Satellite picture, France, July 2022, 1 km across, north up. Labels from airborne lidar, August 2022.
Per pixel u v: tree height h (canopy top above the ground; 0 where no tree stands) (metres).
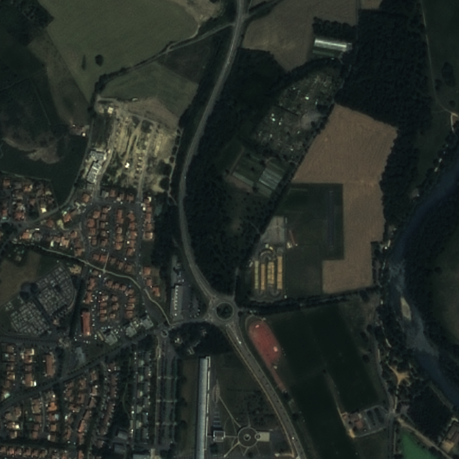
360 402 0
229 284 10
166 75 0
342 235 0
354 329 0
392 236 6
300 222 0
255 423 6
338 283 0
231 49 0
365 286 0
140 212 0
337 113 0
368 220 0
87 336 0
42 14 13
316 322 0
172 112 0
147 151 0
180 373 12
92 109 12
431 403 19
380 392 0
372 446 0
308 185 0
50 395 0
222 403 0
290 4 0
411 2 19
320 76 0
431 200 0
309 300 7
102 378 13
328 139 0
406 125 10
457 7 0
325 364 0
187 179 13
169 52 0
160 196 8
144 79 0
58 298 0
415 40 20
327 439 0
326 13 0
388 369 6
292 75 15
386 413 0
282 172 0
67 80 0
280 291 0
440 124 0
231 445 0
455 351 24
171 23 0
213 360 0
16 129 0
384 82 20
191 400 0
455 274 0
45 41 0
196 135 0
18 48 0
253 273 0
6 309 0
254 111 7
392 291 0
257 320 0
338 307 0
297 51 0
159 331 0
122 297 0
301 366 0
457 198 24
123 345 0
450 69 11
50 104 0
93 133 0
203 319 0
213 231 13
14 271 0
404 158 19
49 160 0
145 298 0
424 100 10
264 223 10
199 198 23
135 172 0
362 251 0
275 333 0
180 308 0
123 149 0
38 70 0
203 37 0
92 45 0
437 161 11
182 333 14
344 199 0
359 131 0
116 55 0
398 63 23
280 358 0
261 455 0
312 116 0
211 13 0
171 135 0
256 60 6
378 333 20
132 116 0
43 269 0
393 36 18
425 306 18
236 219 0
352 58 15
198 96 9
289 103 0
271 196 0
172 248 13
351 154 0
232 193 0
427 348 0
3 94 6
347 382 0
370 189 0
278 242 0
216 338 15
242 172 0
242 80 15
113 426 13
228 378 0
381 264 13
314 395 0
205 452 0
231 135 21
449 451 0
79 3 0
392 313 17
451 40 0
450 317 0
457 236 0
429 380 17
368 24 13
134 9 0
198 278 0
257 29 0
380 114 13
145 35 0
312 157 0
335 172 0
